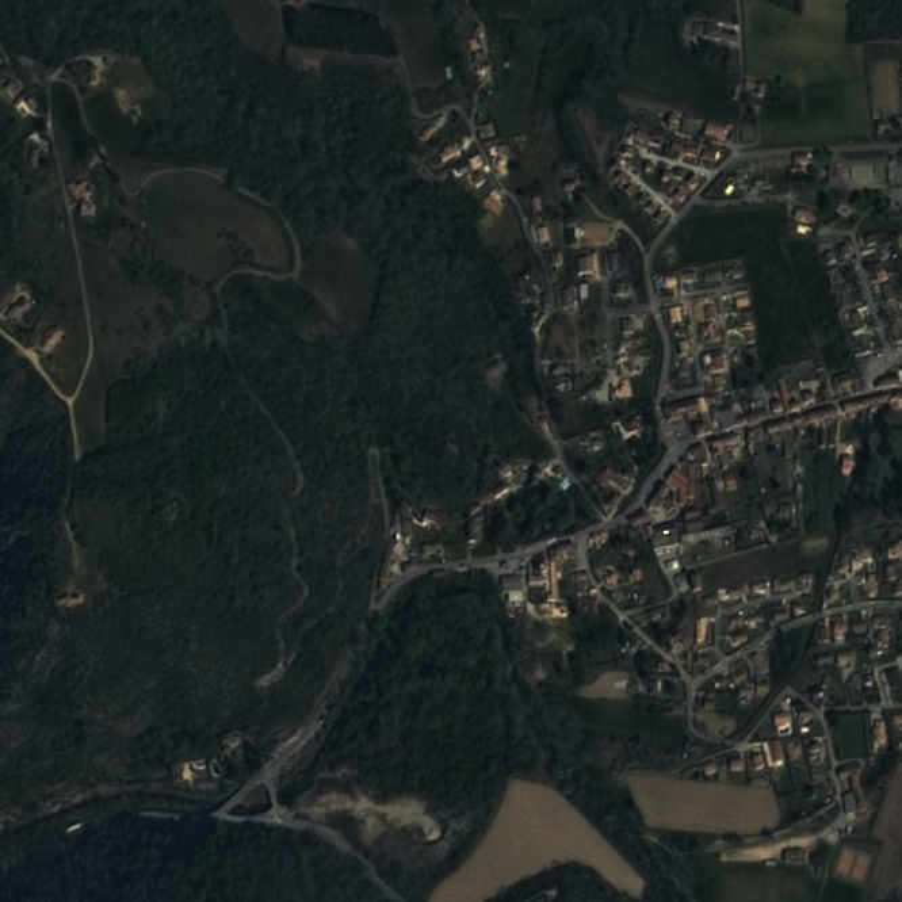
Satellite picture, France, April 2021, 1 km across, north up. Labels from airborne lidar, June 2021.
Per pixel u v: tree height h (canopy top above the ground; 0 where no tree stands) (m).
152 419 8
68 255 0
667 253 0
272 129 26
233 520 8
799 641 6
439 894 0
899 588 0
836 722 9
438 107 11
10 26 13
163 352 6
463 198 10
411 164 7
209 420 11
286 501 10
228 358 12
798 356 0
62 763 18
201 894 15
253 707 8
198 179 0
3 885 16
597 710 0
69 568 0
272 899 18
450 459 10
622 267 18
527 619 17
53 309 0
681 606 10
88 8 22
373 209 16
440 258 19
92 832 14
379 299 14
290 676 11
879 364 0
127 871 10
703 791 0
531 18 0
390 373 11
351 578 9
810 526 11
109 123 0
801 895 0
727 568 0
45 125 9
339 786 13
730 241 0
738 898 0
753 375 8
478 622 31
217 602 10
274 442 8
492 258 8
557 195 0
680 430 0
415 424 18
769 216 0
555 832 0
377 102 12
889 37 0
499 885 0
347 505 13
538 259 10
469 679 28
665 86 0
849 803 0
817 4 0
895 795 0
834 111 0
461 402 15
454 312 16
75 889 16
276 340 23
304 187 13
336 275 0
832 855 0
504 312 24
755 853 0
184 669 9
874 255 6
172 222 0
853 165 0
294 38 16
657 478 0
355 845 10
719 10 0
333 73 10
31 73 11
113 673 6
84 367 0
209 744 28
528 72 0
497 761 6
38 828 16
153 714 7
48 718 8
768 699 0
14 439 8
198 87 15
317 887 9
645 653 9
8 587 7
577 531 12
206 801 14
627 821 16
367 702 27
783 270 0
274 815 0
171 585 6
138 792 8
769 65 0
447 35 14
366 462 20
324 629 14
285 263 0
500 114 0
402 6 0
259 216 0
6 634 7
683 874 40
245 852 18
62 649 7
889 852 0
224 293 6
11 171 6
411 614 17
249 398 12
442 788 9
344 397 23
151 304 0
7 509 6
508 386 7
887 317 7
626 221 13
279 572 10
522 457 9
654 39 0
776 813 0
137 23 26
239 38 7
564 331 11
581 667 14
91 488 10
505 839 0
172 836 12
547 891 10
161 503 9
